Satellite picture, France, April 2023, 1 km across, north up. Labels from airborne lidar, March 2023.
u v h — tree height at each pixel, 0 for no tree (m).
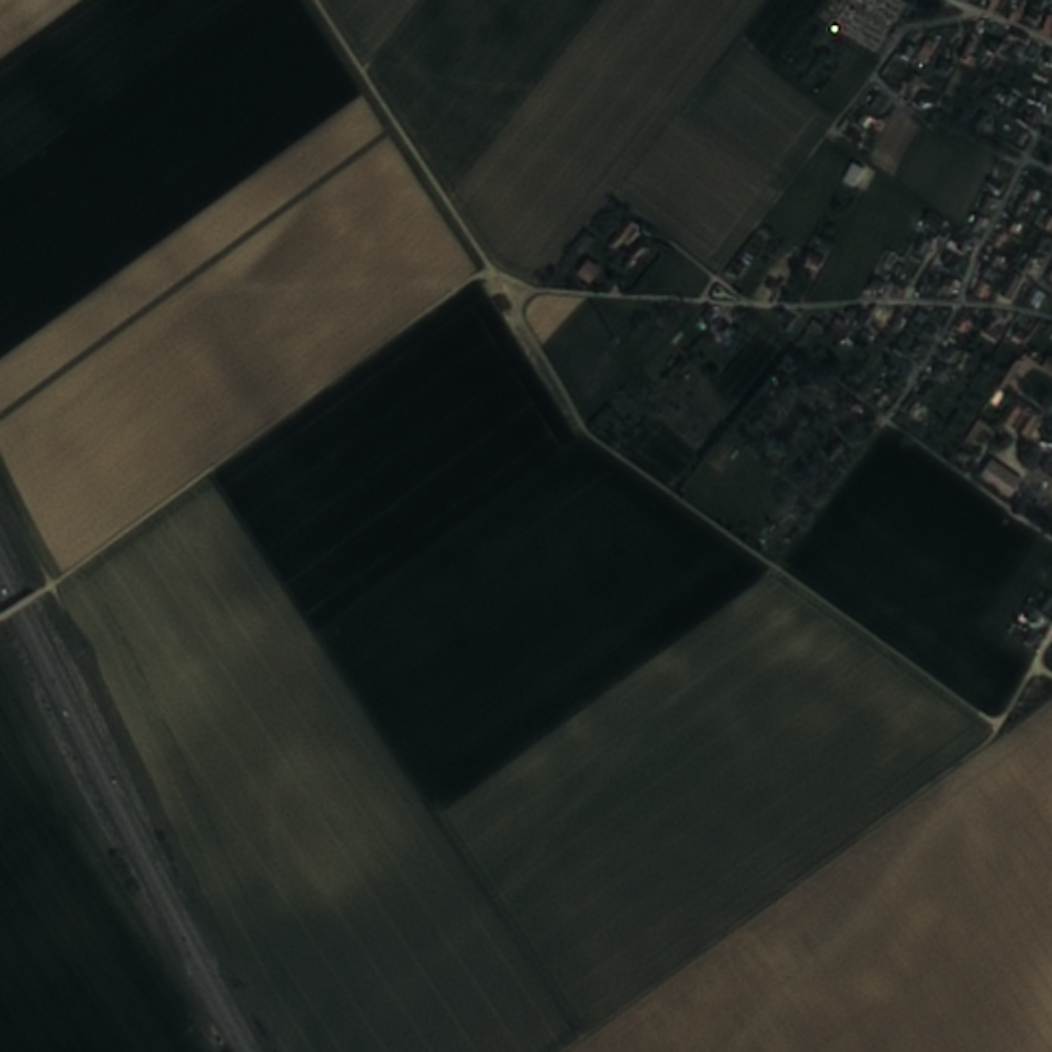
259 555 0
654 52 0
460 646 0
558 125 0
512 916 0
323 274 0
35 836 0
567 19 0
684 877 0
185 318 0
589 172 0
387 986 0
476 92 0
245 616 0
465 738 0
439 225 0
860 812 0
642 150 0
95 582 0
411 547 0
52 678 0
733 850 0
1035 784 0
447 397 0
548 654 0
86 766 0
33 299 0
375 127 0
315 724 0
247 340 0
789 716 0
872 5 0
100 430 0
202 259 0
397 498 0
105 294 0
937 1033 0
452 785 0
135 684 0
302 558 0
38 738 0
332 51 0
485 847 0
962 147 0
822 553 0
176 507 0
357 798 0
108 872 0
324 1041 0
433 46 0
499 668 0
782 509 17
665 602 0
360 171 0
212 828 0
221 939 0
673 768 0
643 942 0
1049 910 0
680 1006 0
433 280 0
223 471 0
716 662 0
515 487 0
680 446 0
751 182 0
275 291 0
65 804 0
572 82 0
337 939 0
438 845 0
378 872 0
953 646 0
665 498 0
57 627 0
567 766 0
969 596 0
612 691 0
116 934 0
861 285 0
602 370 0
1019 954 0
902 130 0
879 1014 0
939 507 0
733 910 0
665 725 0
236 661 0
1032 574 0
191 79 0
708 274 0
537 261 0
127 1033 0
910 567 0
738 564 0
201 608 0
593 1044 0
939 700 0
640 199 0
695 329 0
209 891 0
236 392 0
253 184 0
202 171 0
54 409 0
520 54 0
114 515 0
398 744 0
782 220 0
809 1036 0
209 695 0
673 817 0
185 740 0
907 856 0
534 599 0
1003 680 0
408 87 0
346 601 0
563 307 0
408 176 0
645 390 10
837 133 0
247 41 0
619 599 0
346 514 0
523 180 0
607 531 0
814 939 0
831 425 16
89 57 0
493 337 0
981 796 0
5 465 0
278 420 0
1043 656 0
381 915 0
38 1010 0
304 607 0
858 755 0
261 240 0
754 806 0
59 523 0
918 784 0
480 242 0
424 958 0
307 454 0
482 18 0
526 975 0
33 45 0
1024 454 12
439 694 0
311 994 0
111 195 0
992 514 0
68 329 0
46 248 0
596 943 0
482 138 0
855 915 0
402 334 0
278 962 0
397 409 0
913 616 0
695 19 0
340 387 0
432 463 0
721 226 0
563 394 0
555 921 0
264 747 0
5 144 0
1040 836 0
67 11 0
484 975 0
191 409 0
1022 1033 0
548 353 0
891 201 0
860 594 0
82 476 0
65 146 0
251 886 0
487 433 0
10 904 0
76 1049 0
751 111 0
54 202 0
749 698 0
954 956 0
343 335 0
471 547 0
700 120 0
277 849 0
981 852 0
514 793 0
